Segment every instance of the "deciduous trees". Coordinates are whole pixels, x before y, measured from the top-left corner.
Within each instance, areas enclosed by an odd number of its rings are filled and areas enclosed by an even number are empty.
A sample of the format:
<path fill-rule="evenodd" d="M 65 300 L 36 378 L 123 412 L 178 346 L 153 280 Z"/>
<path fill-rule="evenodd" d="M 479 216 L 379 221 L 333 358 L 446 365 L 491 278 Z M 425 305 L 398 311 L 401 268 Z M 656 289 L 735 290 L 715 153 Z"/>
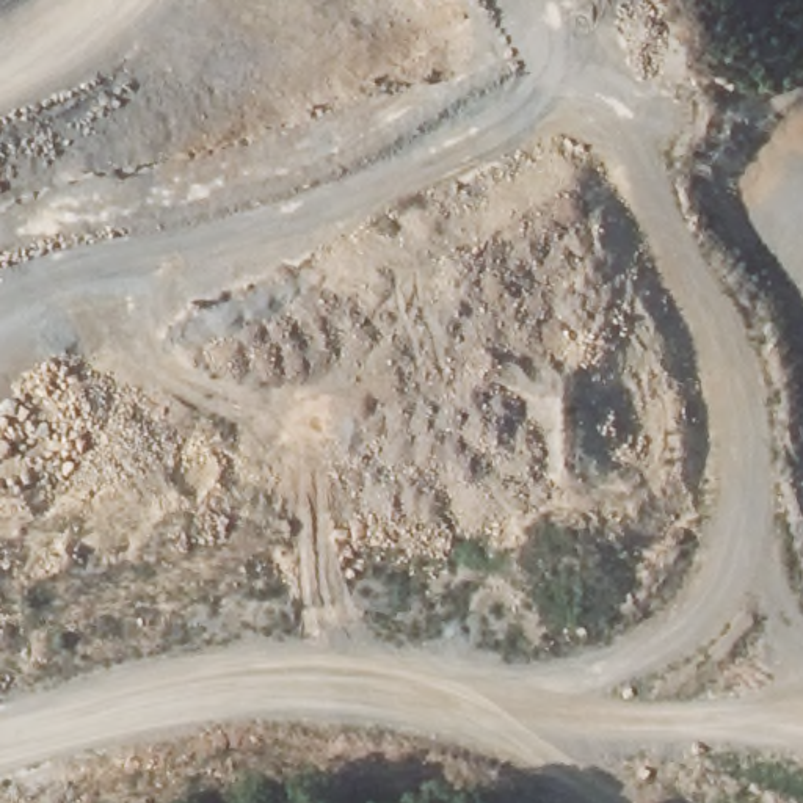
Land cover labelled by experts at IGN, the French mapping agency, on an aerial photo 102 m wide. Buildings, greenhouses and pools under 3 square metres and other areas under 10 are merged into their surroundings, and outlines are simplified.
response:
<path fill-rule="evenodd" d="M 772 85 L 778 94 L 803 88 L 803 0 L 693 0 L 703 44 L 712 50 L 709 75 L 725 75 L 747 88 Z"/>
<path fill-rule="evenodd" d="M 423 781 L 414 794 L 402 794 L 395 787 L 361 794 L 351 800 L 336 800 L 332 787 L 323 781 L 326 772 L 311 765 L 307 772 L 285 781 L 263 778 L 254 784 L 216 784 L 213 790 L 185 794 L 173 803 L 496 803 L 486 784 L 452 784 L 445 790 L 436 781 Z"/>

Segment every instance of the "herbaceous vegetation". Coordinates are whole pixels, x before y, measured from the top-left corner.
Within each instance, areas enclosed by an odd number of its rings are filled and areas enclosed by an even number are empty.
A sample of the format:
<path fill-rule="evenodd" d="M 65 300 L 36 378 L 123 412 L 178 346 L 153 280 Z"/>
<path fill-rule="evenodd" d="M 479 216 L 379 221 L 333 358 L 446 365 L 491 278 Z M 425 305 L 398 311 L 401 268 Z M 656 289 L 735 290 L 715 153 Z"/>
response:
<path fill-rule="evenodd" d="M 643 552 L 652 546 L 652 540 L 646 533 L 624 530 L 618 540 L 609 543 L 605 518 L 593 530 L 577 530 L 558 527 L 552 514 L 546 514 L 533 527 L 527 527 L 524 546 L 489 549 L 480 536 L 458 536 L 452 540 L 442 558 L 417 555 L 405 568 L 398 568 L 395 561 L 405 549 L 354 549 L 348 558 L 342 558 L 342 568 L 351 568 L 364 558 L 367 568 L 351 574 L 348 593 L 358 596 L 364 621 L 373 627 L 373 637 L 398 649 L 414 646 L 420 640 L 439 640 L 442 627 L 458 618 L 452 605 L 445 605 L 442 593 L 430 596 L 427 568 L 477 568 L 508 580 L 514 590 L 536 602 L 543 630 L 590 630 L 593 624 L 599 624 L 599 615 L 605 615 L 609 624 L 618 630 L 621 602 L 640 583 L 637 565 Z"/>
<path fill-rule="evenodd" d="M 216 784 L 254 784 L 263 778 L 285 781 L 307 772 L 311 765 L 285 762 L 292 747 L 285 740 L 232 747 L 223 743 L 213 753 L 198 753 L 194 737 L 185 734 L 176 740 L 157 740 L 154 762 L 144 762 L 144 753 L 135 743 L 132 772 L 122 768 L 119 775 L 100 781 L 88 775 L 66 781 L 63 797 L 56 803 L 173 803 L 185 794 L 213 790 Z"/>
<path fill-rule="evenodd" d="M 790 759 L 750 765 L 750 778 L 759 787 L 800 803 L 803 803 L 803 768 Z"/>

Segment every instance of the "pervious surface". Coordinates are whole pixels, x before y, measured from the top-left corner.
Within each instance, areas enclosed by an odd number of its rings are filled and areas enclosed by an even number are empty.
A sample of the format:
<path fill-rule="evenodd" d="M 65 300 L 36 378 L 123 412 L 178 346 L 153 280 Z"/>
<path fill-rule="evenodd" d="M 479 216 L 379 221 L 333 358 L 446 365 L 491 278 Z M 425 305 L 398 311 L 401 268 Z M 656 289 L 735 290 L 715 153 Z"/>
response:
<path fill-rule="evenodd" d="M 790 759 L 803 768 L 803 88 L 778 94 L 772 85 L 747 88 L 725 75 L 709 75 L 712 50 L 703 44 L 693 0 L 0 0 L 0 803 L 56 803 L 63 797 L 66 781 L 88 775 L 100 781 L 119 775 L 122 768 L 132 772 L 135 743 L 144 753 L 144 762 L 154 762 L 157 740 L 176 740 L 185 734 L 194 737 L 198 753 L 213 753 L 223 743 L 232 747 L 285 740 L 292 747 L 285 762 L 311 765 L 326 772 L 323 781 L 332 787 L 336 800 L 351 800 L 361 794 L 395 787 L 402 794 L 414 794 L 423 781 L 436 781 L 445 790 L 452 784 L 486 784 L 496 803 L 800 803 L 759 787 L 750 778 L 750 765 Z M 458 536 L 480 536 L 489 549 L 524 546 L 527 527 L 533 527 L 546 514 L 552 514 L 558 527 L 577 530 L 593 530 L 605 518 L 609 543 L 618 540 L 624 530 L 646 533 L 652 540 L 652 546 L 643 552 L 637 565 L 640 583 L 621 602 L 618 630 L 609 624 L 605 615 L 599 615 L 599 624 L 593 624 L 590 630 L 543 630 L 536 602 L 514 590 L 508 580 L 477 568 L 427 568 L 430 596 L 442 593 L 445 605 L 452 605 L 458 618 L 442 627 L 439 640 L 420 640 L 414 646 L 398 649 L 373 637 L 373 627 L 364 621 L 358 596 L 348 593 L 351 574 L 367 568 L 364 558 L 351 568 L 342 568 L 342 558 L 348 558 L 354 549 L 405 549 L 395 561 L 398 568 L 405 568 L 417 555 L 442 558 L 452 540 Z"/>

